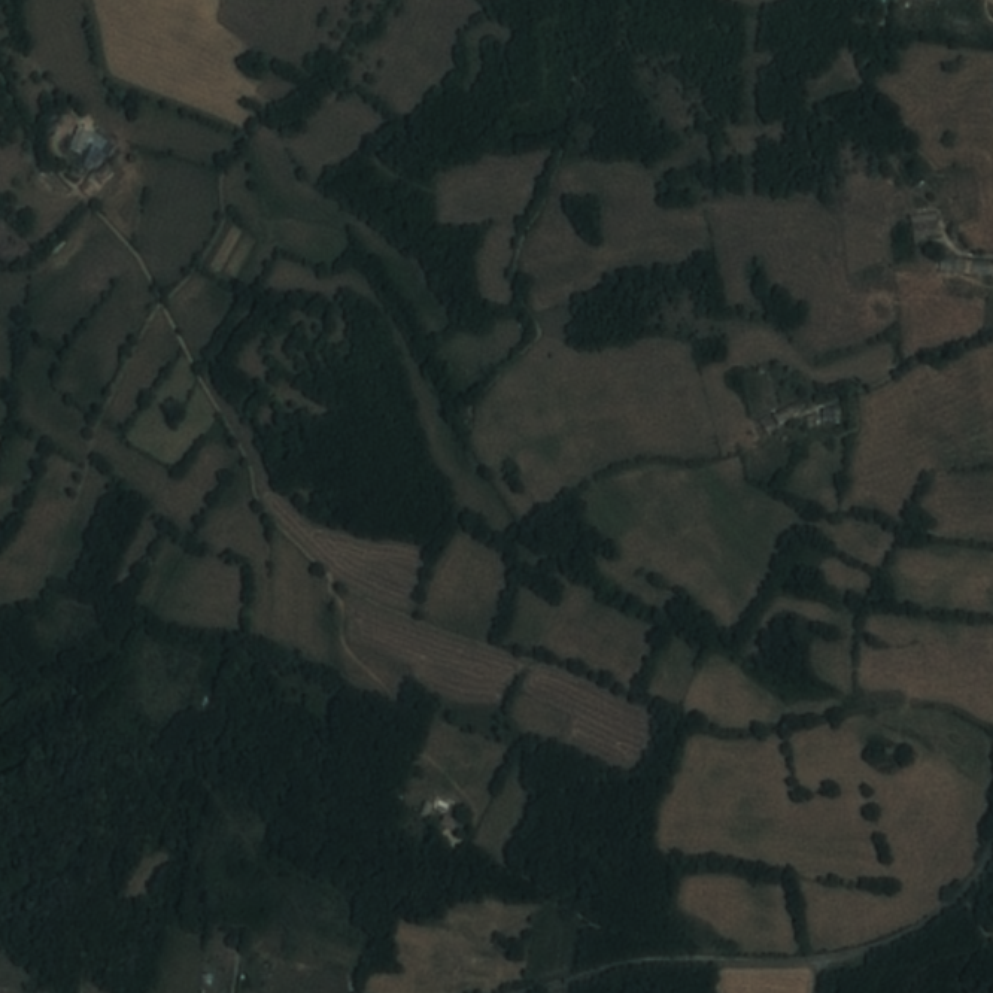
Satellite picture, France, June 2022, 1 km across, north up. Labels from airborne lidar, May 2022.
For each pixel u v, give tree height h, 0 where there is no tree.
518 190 0
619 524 0
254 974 0
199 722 9
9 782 23
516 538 10
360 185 10
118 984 17
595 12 11
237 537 0
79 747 14
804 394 10
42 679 17
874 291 0
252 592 12
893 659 0
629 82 11
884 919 0
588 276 0
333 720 21
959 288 0
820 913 0
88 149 0
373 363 11
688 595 13
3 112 9
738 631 15
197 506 0
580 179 0
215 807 12
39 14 0
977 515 0
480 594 0
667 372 0
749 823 0
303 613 0
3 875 10
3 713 14
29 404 0
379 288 8
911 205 0
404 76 0
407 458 16
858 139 17
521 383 0
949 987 9
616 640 0
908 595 0
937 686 0
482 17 10
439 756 0
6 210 9
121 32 0
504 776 15
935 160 0
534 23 14
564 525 13
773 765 0
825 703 0
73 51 0
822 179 14
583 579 14
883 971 13
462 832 17
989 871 10
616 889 14
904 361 6
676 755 13
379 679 0
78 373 0
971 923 14
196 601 0
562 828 11
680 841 0
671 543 0
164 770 11
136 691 0
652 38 10
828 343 0
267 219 0
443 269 11
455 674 0
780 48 12
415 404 17
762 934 0
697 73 11
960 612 8
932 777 0
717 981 13
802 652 18
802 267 0
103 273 0
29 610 16
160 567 0
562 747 13
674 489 0
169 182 0
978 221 0
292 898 0
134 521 17
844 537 0
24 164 0
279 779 16
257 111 9
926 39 11
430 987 0
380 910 14
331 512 15
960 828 0
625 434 0
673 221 0
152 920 18
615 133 14
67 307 0
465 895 16
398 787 18
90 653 6
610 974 12
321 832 16
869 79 13
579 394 0
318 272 12
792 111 15
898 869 0
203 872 9
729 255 0
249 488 0
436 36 0
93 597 15
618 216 0
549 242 0
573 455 0
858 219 0
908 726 0
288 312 14
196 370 13
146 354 0
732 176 14
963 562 0
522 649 11
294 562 0
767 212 0
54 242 11
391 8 7
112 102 11
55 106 13
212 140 0
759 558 0
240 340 14
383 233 9
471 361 0
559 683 0
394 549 0
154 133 0
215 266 0
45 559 0
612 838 19
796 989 0
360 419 15
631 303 12
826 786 15
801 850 0
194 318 0
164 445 0
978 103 0
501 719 16
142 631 17
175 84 0
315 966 0
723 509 0
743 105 13
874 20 9
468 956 0
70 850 20
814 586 21
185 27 0
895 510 0
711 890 0
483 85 11
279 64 16
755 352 0
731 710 0
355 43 9
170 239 0
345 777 20
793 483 0
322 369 14
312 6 0
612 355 0
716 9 11
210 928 14
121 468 0
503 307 8
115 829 20
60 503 0
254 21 0
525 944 8
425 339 7
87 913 17
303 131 14
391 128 15
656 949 13
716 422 0
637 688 17
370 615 0
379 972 6
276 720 16
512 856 22
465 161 18
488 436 0
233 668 16
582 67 11
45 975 16
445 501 18
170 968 0
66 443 0
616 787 18
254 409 13
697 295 10
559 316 0
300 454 13
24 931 20
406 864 18
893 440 0
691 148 0
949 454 0
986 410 0
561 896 15
